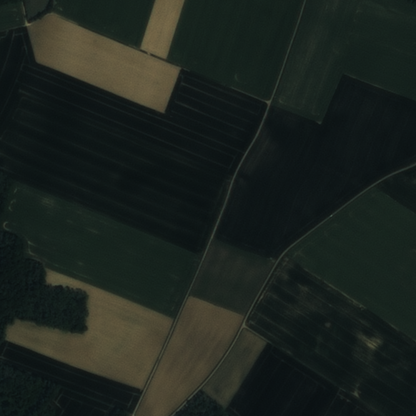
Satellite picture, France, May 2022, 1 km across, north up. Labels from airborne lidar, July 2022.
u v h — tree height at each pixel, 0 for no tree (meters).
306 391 0
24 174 0
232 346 0
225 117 0
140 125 0
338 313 0
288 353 0
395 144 0
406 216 0
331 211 0
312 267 0
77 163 0
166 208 0
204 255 0
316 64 0
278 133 0
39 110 0
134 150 0
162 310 0
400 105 0
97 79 0
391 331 0
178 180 0
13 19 0
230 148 0
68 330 21
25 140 0
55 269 0
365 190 0
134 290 0
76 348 0
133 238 0
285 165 0
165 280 0
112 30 0
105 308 0
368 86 0
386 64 0
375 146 0
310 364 0
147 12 0
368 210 0
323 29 0
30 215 0
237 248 0
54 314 24
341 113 0
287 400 0
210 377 0
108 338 0
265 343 0
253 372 0
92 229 0
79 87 0
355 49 0
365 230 0
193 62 0
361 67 0
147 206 0
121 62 0
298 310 0
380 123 0
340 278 0
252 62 0
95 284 0
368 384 0
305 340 0
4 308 23
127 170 0
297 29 0
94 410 0
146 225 0
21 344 0
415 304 0
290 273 0
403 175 0
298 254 0
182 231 0
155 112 0
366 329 0
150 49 0
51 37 0
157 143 0
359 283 0
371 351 0
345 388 0
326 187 0
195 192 0
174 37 0
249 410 0
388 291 0
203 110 0
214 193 0
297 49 0
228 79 0
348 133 0
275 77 0
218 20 0
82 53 0
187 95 0
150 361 0
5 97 0
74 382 0
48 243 0
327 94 0
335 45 0
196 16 0
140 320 0
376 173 0
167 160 0
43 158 0
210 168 0
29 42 0
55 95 0
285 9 0
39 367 0
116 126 0
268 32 0
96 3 0
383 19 0
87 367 0
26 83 0
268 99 0
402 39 0
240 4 0
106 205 0
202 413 19
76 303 24
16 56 0
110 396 0
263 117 0
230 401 0
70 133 0
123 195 0
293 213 0
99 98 0
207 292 0
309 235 0
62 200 0
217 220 0
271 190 0
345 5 0
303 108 0
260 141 0
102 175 0
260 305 0
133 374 0
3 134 0
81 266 0
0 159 0
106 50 0
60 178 0
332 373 0
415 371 0
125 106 0
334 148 0
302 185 0
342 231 0
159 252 0
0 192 29
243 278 0
